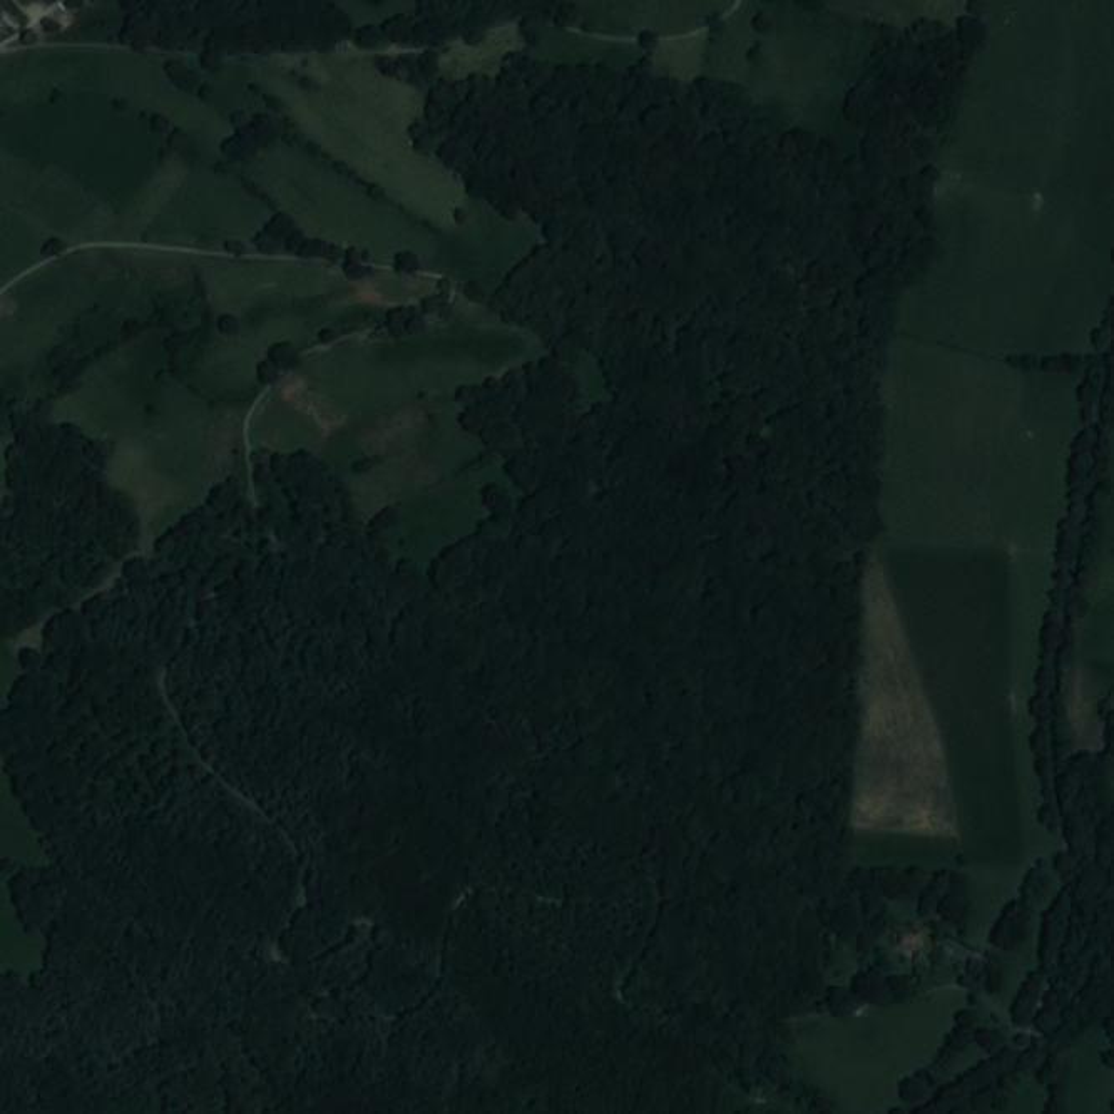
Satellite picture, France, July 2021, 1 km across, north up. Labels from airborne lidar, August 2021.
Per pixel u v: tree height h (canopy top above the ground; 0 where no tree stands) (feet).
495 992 44
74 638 82
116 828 51
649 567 78
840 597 84
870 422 92
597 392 0
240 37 84
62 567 81
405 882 41
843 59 0
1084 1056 0
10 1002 89
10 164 0
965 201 0
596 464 83
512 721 64
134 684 89
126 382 0
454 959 49
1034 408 0
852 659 84
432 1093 82
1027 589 0
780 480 83
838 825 71
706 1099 26
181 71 59
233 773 71
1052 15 0
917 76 49
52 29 44
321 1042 74
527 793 69
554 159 74
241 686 85
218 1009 100
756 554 96
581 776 71
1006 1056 63
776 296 82
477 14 71
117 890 73
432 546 0
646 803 81
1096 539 57
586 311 73
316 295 0
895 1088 0
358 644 69
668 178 78
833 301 47
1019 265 0
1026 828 0
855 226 99
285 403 0
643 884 66
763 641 85
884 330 98
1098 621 0
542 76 80
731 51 0
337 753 86
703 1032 67
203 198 0
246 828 66
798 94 0
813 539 90
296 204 0
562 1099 28
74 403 0
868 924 45
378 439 0
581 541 99
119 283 0
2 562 93
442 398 0
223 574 80
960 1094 87
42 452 83
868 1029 0
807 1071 0
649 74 35
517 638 96
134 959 97
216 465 0
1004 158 0
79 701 76
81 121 0
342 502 88
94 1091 78
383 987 87
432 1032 67
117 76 0
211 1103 54
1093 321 0
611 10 0
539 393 97
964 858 36
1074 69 0
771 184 94
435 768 81
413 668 92
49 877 69
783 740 97
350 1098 60
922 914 35
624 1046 37
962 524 0
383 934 80
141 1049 78
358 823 47
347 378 0
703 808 68
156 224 0
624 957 68
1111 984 78
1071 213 0
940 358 0
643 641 91
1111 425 33
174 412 0
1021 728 0
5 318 0
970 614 0
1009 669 0
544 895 64
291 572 93
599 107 102
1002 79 0
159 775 69
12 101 0
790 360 99
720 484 116
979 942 0
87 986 94
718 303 73
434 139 54
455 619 84
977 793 0
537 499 78
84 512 75
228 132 0
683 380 74
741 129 97
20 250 0
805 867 88
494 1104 46
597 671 102
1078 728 0
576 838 80
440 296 29
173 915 92
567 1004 64
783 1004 80
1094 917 100
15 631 66
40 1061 96
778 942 88
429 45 67
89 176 0
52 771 83
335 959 77
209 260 0
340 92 0
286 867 57
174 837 75
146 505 0
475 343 0
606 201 85
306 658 96
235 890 84
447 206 0
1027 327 0
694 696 88
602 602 79
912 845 0
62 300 0
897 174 68
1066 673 58
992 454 0
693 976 85
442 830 51
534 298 65
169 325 26
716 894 78
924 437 0
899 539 0
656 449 84
